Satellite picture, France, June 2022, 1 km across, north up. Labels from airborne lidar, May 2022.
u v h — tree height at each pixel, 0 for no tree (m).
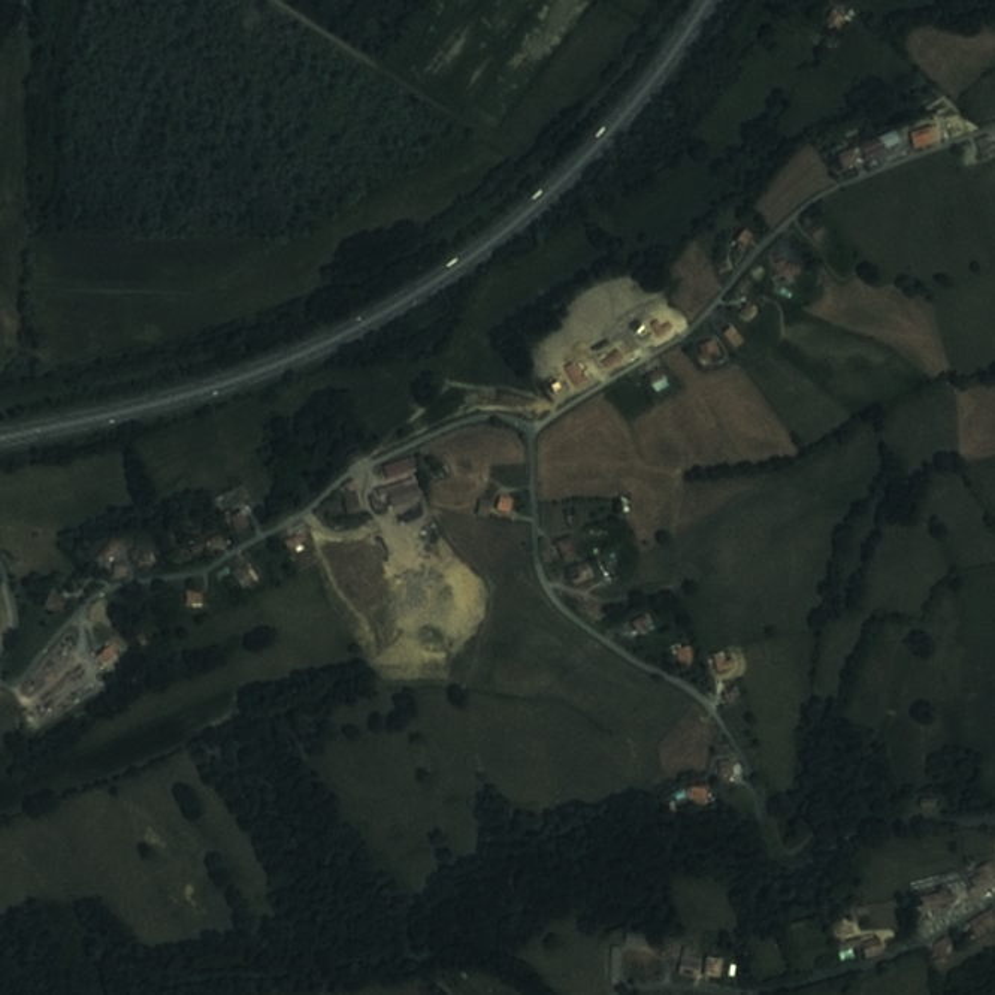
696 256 0
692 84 6
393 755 0
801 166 0
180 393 0
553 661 0
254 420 0
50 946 27
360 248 18
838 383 0
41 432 0
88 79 10
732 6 15
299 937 23
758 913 19
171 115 16
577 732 0
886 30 12
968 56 0
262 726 17
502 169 11
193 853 0
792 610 0
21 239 0
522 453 0
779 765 0
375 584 0
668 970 0
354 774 0
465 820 0
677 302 0
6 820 11
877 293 0
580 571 0
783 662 0
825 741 24
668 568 0
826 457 0
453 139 8
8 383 11
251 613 0
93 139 9
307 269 0
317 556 0
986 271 0
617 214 0
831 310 0
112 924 20
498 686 0
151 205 8
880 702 0
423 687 0
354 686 19
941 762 9
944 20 15
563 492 0
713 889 0
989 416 0
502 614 0
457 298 11
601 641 0
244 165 13
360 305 10
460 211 7
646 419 0
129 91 25
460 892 23
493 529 0
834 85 0
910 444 0
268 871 15
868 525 0
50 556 0
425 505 0
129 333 0
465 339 0
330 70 6
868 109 29
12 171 0
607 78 8
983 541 0
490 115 0
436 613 0
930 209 0
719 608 0
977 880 0
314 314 14
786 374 0
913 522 18
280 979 14
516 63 0
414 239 12
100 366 7
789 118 0
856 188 0
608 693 0
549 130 14
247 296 0
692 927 0
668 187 0
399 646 0
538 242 11
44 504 0
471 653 0
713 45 13
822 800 22
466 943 19
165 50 13
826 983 9
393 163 9
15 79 0
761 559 0
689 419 0
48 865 0
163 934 0
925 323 0
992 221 0
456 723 0
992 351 0
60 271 0
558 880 31
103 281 0
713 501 0
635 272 17
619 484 0
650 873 21
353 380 0
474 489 0
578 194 16
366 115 9
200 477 0
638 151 11
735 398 0
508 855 23
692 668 7
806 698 0
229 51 6
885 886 0
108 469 0
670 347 0
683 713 0
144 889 0
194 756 13
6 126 0
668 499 0
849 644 0
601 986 0
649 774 0
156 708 0
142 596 9
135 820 0
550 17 0
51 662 0
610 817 21
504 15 0
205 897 0
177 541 7
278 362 0
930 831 15
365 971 20
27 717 0
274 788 18
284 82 17
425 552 0
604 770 0
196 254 0
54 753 24
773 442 0
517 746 0
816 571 0
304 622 0
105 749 0
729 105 0
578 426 0
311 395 0
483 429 0
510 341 15
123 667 16
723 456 0
